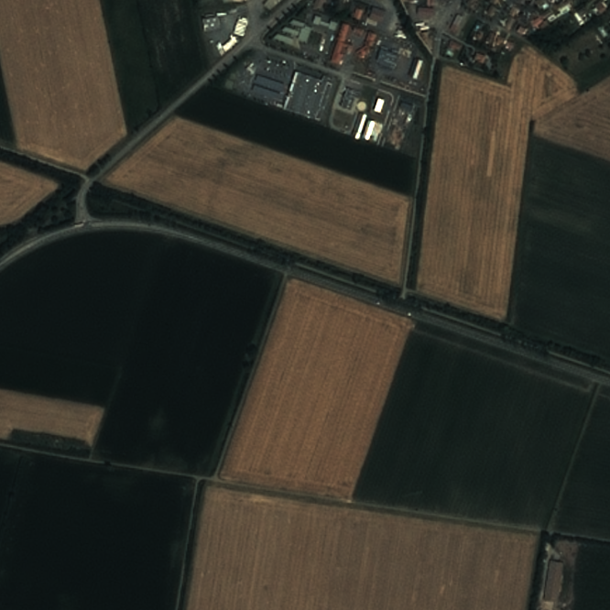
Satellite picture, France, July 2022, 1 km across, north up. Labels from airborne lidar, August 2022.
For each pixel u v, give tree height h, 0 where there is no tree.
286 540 0
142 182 0
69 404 0
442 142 0
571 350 16
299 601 0
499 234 0
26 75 0
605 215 0
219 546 0
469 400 0
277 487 0
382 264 0
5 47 0
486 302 0
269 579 0
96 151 0
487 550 0
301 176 0
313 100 0
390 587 0
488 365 0
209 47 0
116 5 0
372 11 0
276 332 0
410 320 0
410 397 0
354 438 0
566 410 0
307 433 0
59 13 0
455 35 0
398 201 0
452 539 0
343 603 0
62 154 0
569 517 0
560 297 0
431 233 0
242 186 0
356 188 0
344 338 0
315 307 0
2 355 0
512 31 0
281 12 0
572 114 0
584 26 7
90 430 0
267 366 0
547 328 0
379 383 0
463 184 0
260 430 0
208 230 11
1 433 0
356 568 0
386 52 0
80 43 0
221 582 0
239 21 0
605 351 0
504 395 0
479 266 0
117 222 0
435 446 0
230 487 0
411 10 0
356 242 0
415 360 0
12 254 0
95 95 0
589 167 0
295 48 0
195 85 0
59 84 0
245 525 0
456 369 0
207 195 0
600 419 0
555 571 0
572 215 0
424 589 0
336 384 0
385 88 0
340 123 0
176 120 0
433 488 0
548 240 0
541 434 0
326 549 0
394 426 0
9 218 0
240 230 0
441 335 0
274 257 14
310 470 0
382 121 0
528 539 0
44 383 0
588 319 0
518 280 0
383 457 0
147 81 0
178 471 0
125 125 0
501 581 0
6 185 0
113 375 0
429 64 0
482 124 0
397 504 0
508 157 0
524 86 0
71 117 0
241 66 0
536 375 0
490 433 0
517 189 0
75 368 0
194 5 6
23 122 0
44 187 0
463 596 0
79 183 10
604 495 0
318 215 0
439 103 0
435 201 0
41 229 8
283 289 0
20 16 0
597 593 0
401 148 0
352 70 0
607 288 0
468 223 0
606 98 0
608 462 0
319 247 0
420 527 0
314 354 0
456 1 0
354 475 0
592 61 0
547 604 0
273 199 0
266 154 0
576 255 0
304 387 0
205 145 0
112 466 11
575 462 0
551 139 0
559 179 0
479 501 0
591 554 0
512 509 0
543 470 0
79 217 0
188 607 0
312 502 0
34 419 0
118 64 0
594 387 0
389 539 0
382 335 0
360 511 0
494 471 0
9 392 0
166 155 0
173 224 14
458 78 0
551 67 0
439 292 0
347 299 0
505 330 13
